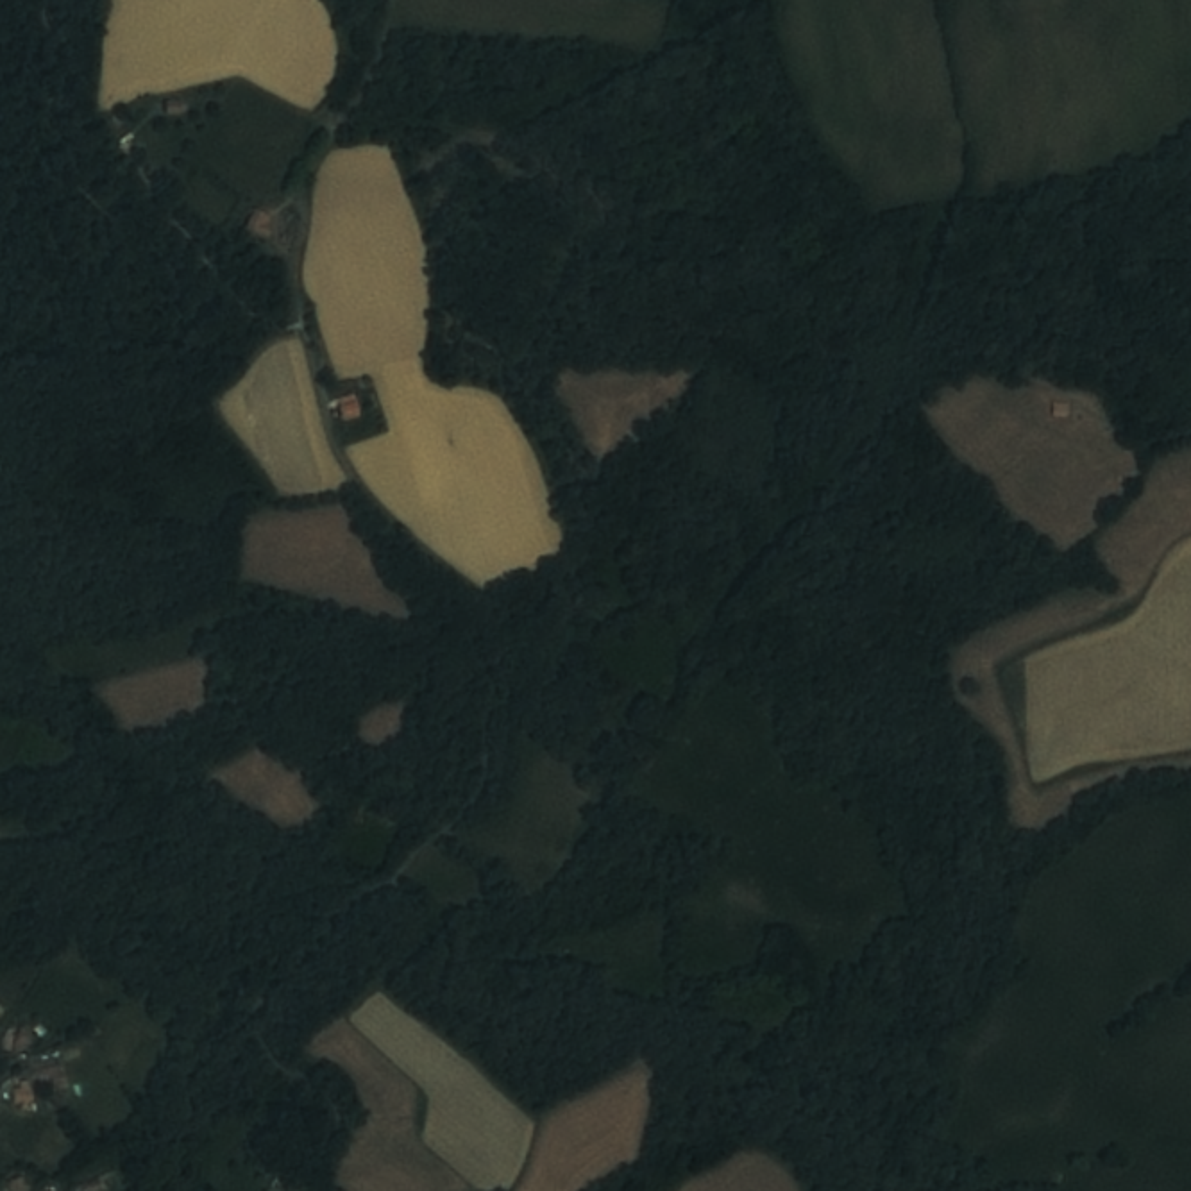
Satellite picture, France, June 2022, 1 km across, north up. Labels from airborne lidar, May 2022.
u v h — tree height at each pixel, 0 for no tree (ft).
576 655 80
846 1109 76
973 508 47
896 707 54
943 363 32
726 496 29
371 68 25
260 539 0
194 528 41
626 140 54
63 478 30
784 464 57
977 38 0
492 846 0
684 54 63
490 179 83
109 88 0
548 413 67
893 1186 90
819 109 0
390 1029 0
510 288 88
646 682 0
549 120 53
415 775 61
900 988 21
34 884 84
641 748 74
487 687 49
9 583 69
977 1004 62
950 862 60
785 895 0
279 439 0
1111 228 74
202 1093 94
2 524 73
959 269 76
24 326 74
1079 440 0
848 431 34
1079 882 0
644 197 35
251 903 79
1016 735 0
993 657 0
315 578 0
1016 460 0
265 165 0
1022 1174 0
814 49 0
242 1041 44
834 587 29
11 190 85
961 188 20
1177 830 0
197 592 64
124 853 86
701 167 34
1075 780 0
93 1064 0
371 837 0
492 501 0
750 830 0
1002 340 46
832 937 0
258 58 0
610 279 56
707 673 62
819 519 53
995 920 61
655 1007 54
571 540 51
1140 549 0
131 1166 80
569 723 77
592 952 0
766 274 73
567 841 0
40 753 0
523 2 0
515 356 77
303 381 0
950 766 50
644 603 51
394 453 0
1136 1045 0
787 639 62
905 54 0
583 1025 53
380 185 0
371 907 74
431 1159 0
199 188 0
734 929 0
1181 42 0
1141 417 30
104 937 78
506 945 61
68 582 51
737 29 57
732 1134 36
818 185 46
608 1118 0
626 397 0
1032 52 0
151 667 0
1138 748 0
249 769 0
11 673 75
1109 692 0
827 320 25
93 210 70
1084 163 0
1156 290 73
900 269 42
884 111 0
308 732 51
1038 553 23
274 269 50
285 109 0
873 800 58
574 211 73
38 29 67
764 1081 30
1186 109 0
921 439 37
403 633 65
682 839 60
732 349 58
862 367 24
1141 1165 0
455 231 75
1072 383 37
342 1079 39
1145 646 0
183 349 62
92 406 70
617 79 60
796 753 44
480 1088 0
